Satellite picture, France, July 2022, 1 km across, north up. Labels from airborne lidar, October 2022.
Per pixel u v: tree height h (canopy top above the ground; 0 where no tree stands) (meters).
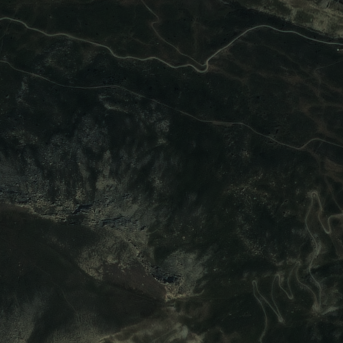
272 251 0
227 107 0
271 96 0
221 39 0
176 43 0
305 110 0
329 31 0
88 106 0
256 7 0
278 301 0
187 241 0
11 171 0
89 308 0
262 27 0
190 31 0
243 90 0
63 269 0
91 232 0
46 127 0
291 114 0
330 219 0
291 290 0
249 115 0
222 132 0
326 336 0
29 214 0
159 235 0
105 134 0
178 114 0
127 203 0
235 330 0
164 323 0
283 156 0
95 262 0
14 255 0
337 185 0
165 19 0
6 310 0
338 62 0
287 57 0
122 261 0
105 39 0
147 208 0
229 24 0
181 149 0
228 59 0
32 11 0
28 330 0
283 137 0
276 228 0
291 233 0
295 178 0
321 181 0
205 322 0
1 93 0
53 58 0
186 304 0
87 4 0
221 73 0
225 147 0
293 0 0
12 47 0
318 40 0
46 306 0
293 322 0
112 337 0
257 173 0
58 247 0
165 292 0
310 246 0
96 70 8
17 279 0
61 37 0
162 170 0
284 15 0
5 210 0
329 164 0
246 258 0
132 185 0
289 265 0
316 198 0
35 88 0
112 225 0
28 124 0
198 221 0
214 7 0
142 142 0
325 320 0
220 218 0
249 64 0
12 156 0
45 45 0
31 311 0
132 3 0
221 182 0
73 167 0
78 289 0
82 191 0
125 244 0
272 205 0
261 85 0
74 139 0
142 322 0
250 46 0
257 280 0
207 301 0
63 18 0
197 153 0
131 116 0
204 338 0
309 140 0
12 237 0
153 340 0
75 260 0
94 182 0
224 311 0
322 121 0
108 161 0
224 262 0
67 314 0
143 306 0
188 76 0
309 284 0
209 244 0
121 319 0
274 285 0
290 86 0
